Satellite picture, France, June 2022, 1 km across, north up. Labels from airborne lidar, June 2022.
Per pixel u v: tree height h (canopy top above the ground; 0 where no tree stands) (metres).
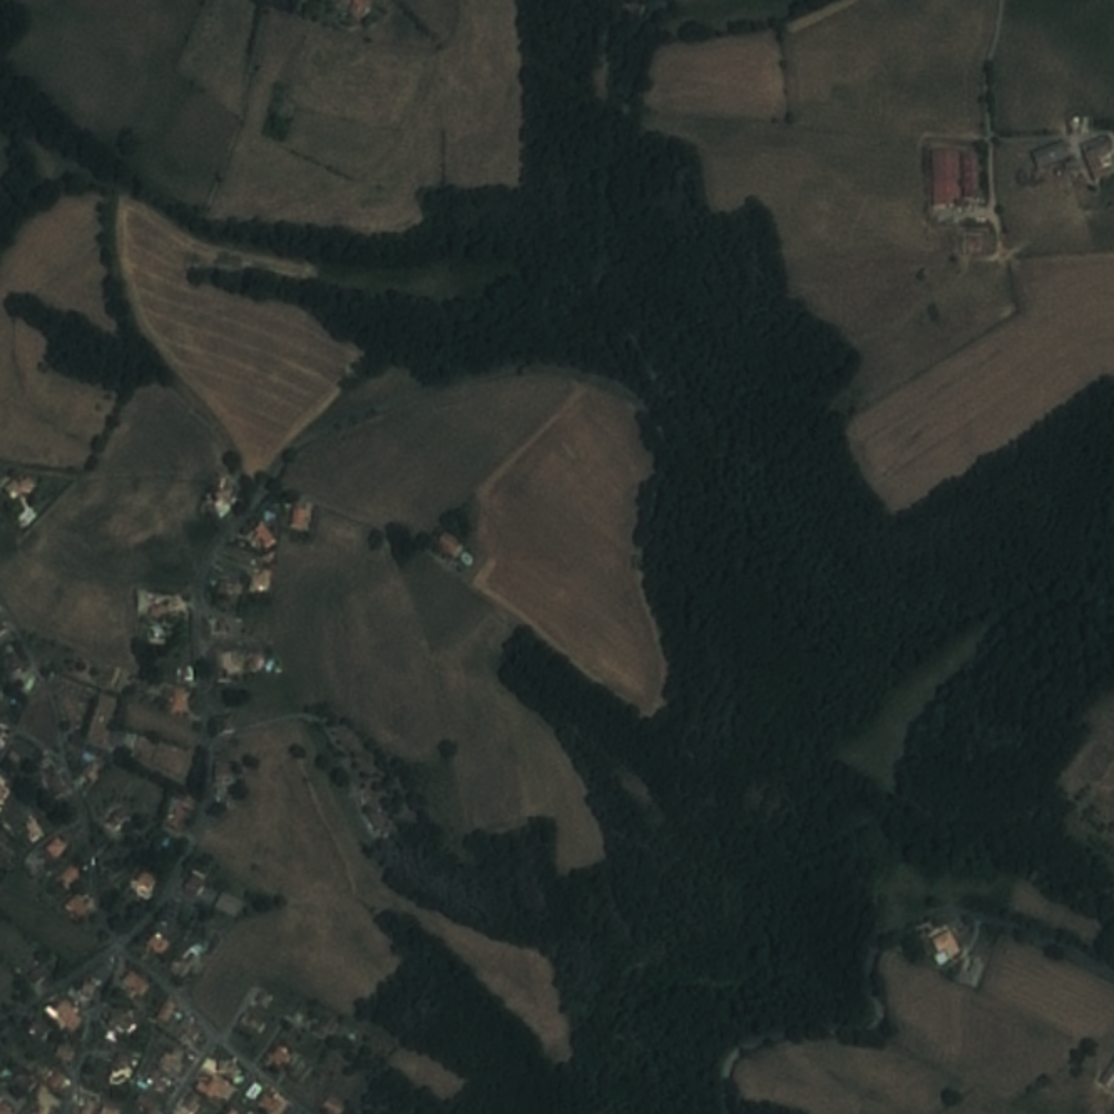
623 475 0
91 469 8
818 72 0
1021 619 24
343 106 0
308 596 0
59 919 0
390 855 22
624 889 16
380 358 18
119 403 12
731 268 11
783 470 16
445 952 17
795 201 0
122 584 0
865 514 11
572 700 16
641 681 0
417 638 0
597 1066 10
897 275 0
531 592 0
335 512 0
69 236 0
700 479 7
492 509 0
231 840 0
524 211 15
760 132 0
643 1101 12
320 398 0
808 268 0
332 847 0
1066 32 0
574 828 0
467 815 0
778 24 11
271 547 7
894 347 0
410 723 0
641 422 11
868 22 0
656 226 15
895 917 0
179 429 0
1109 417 14
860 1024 15
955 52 0
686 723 12
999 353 0
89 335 19
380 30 0
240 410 0
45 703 0
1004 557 13
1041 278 0
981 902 6
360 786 0
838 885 14
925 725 18
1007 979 0
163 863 12
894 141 0
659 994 11
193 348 0
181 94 0
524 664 20
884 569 10
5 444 0
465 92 0
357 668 0
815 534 12
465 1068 13
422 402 0
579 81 16
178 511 0
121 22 0
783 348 23
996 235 0
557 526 0
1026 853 17
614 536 0
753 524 21
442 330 25
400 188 0
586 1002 13
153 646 11
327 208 0
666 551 15
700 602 23
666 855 10
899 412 0
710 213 12
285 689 0
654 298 21
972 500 12
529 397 0
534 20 11
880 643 15
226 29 0
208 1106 0
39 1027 0
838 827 8
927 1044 0
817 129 0
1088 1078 0
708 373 14
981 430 0
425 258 13
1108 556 26
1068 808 9
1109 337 0
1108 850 7
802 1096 0
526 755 0
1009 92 0
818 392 19
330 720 7
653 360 17
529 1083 13
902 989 0
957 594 17
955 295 0
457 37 0
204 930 7
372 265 17
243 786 8
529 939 8
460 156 0
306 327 0
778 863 25
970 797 16
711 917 11
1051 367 0
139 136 16
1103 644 14
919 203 0
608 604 0
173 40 0
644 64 18
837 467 14
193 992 0
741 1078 0
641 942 12
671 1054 21
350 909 0
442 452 0
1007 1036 0
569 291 19
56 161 0
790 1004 19
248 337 0
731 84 0
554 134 15
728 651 16
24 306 22
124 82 0
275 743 0
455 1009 13
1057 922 0
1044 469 12
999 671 25
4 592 0
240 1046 0
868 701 18
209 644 0
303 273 0
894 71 0
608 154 21
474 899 19
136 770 14
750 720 20
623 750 15
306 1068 0
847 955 9
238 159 0
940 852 16
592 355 15
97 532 0
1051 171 0
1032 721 23
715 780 12
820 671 22
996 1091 0
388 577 0
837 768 19
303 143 0
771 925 24
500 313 14
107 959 0
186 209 15
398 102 0
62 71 0
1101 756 0
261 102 0
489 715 0
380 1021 13
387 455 0
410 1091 14
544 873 14
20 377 0
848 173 0
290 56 0
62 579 0
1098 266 0
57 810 12
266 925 0
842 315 0
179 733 0
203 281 11
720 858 13
